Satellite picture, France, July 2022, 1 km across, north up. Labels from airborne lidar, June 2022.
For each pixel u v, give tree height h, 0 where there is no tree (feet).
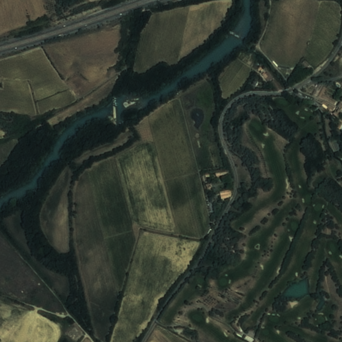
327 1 0
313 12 0
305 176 0
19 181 83
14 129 18
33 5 0
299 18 0
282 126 61
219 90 40
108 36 0
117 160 0
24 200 44
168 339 0
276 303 31
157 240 0
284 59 0
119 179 0
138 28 60
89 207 0
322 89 0
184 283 34
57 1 33
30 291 0
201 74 63
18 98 0
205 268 45
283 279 0
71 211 31
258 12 67
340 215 0
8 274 0
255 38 45
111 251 0
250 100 43
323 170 73
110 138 64
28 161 58
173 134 0
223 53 0
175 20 0
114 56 0
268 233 0
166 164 0
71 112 0
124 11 0
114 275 0
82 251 0
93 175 0
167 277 0
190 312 0
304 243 0
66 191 0
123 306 0
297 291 0
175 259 0
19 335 0
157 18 0
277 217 0
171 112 0
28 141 47
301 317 0
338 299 0
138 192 0
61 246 0
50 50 0
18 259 0
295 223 0
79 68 0
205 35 0
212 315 31
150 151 0
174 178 0
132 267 0
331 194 43
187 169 0
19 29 0
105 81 0
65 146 65
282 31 0
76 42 0
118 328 0
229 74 0
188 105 0
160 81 54
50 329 0
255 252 0
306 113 0
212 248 40
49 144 56
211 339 0
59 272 42
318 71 0
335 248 0
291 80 58
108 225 0
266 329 0
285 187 0
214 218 45
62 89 0
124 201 0
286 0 0
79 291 36
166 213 0
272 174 0
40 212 25
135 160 0
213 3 0
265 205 0
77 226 0
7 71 0
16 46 0
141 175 0
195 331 27
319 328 35
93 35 0
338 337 29
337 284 25
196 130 0
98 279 0
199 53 48
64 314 0
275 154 0
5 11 0
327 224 32
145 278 0
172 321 0
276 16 0
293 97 70
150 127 0
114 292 0
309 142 66
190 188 0
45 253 51
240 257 25
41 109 0
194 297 0
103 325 0
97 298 0
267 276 0
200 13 0
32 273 0
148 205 0
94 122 73
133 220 0
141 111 60
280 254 0
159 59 0
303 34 0
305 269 38
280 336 0
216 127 24
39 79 0
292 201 0
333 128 67
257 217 0
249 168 33
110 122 38
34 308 0
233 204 34
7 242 0
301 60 20
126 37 22
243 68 0
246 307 0
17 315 0
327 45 0
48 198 0
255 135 0
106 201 0
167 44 0
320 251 0
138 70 0
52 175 71
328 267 33
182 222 0
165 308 53
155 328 0
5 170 52
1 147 0
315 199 34
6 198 0
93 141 60
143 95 88
